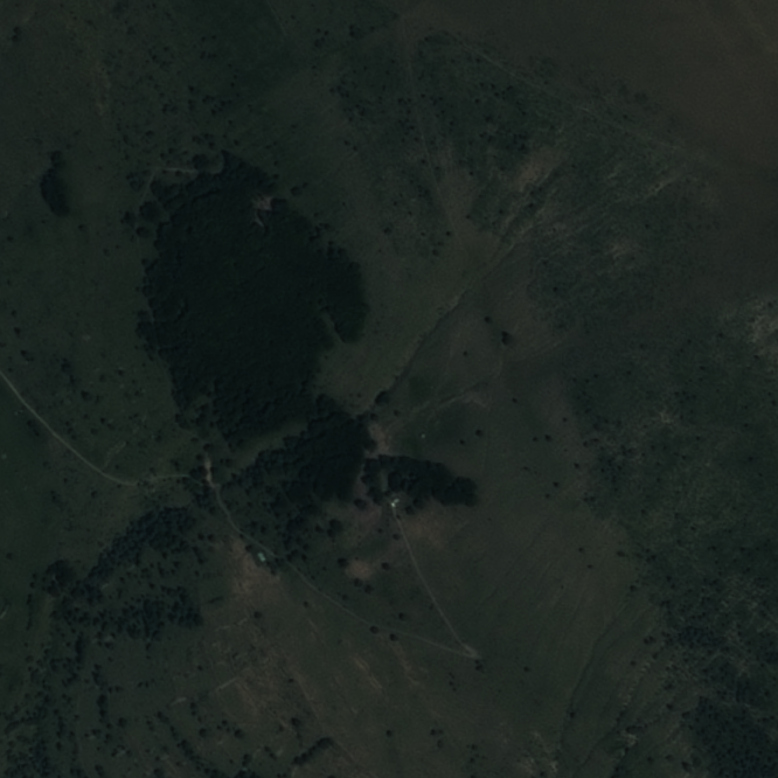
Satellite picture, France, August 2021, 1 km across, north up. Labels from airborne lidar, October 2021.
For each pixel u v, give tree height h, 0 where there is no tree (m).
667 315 0
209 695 0
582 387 0
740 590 0
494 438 0
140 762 0
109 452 0
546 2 0
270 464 12
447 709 0
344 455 14
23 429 0
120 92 0
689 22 0
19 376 0
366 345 0
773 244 0
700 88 0
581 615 0
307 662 0
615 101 0
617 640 0
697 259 0
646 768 0
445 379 0
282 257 21
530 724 0
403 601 0
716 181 0
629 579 0
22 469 0
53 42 0
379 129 0
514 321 0
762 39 0
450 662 0
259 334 19
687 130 0
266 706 0
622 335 0
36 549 0
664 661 0
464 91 0
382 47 0
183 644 0
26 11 0
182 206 8
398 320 0
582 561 0
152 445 0
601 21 0
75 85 0
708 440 0
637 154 0
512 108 0
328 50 0
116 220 0
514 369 0
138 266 0
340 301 18
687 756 0
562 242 0
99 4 0
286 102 0
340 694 0
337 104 0
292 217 16
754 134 0
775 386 0
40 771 9
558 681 0
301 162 0
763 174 0
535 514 0
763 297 0
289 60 0
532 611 0
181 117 0
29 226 0
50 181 10
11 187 0
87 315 0
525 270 0
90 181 0
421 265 0
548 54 0
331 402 14
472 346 0
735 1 0
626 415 0
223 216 19
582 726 0
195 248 17
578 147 0
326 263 15
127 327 0
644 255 0
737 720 9
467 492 13
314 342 16
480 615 0
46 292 0
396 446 0
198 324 15
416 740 0
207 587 0
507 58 0
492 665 0
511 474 0
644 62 0
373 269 0
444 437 0
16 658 0
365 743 0
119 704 0
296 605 0
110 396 0
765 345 0
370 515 0
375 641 0
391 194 0
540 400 0
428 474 15
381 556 0
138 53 0
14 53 0
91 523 0
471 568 0
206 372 13
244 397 9
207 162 13
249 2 0
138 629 8
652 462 0
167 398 0
